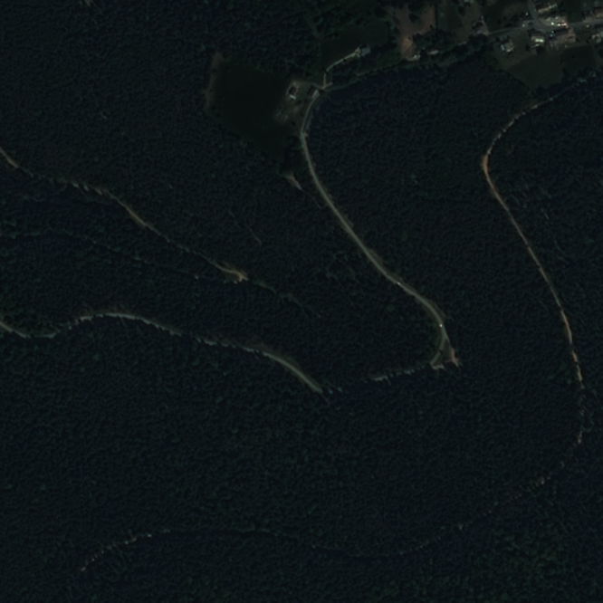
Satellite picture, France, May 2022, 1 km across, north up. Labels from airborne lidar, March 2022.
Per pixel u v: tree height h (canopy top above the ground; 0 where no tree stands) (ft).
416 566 69
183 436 82
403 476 63
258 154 40
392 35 25
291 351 92
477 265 84
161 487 80
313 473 80
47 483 76
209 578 80
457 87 48
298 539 65
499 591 72
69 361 79
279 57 69
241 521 90
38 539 65
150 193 84
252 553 91
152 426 87
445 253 74
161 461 84
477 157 49
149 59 60
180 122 66
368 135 65
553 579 85
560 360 74
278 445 62
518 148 35
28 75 70
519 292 75
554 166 35
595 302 67
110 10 88
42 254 65
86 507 90
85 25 81
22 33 66
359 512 66
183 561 69
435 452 67
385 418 78
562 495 90
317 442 68
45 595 71
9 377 87
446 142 44
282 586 79
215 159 66
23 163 69
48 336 0
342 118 79
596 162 27
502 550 73
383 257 78
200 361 87
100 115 70
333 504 87
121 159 73
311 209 72
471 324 73
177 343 65
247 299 90
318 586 74
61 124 80
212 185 79
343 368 76
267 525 89
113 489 78
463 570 80
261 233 77
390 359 88
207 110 0
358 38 0
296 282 72
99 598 73
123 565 88
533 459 80
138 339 80
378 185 72
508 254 75
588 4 0
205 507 81
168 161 70
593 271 81
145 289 79
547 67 0
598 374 72
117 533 76
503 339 77
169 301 75
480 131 35
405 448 73
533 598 74
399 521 66
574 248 68
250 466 86
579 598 75
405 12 0
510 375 75
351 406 78
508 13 0
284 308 82
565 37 0
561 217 67
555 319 73
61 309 82
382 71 0
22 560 81
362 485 78
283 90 0
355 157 61
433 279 69
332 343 84
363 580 90
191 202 81
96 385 76
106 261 56
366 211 81
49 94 70
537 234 63
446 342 0
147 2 79
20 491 75
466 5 19
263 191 75
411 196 45
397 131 79
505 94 49
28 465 82
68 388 82
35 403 86
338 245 69
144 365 91
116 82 73
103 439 79
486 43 53
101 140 77
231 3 70
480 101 48
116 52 56
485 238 72
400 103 81
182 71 54
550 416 78
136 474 76
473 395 58
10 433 73
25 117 77
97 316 0
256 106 0
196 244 68
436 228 73
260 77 0
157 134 60
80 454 84
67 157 72
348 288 78
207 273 71
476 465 89
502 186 34
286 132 0
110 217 64
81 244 62
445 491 73
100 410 70
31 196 81
